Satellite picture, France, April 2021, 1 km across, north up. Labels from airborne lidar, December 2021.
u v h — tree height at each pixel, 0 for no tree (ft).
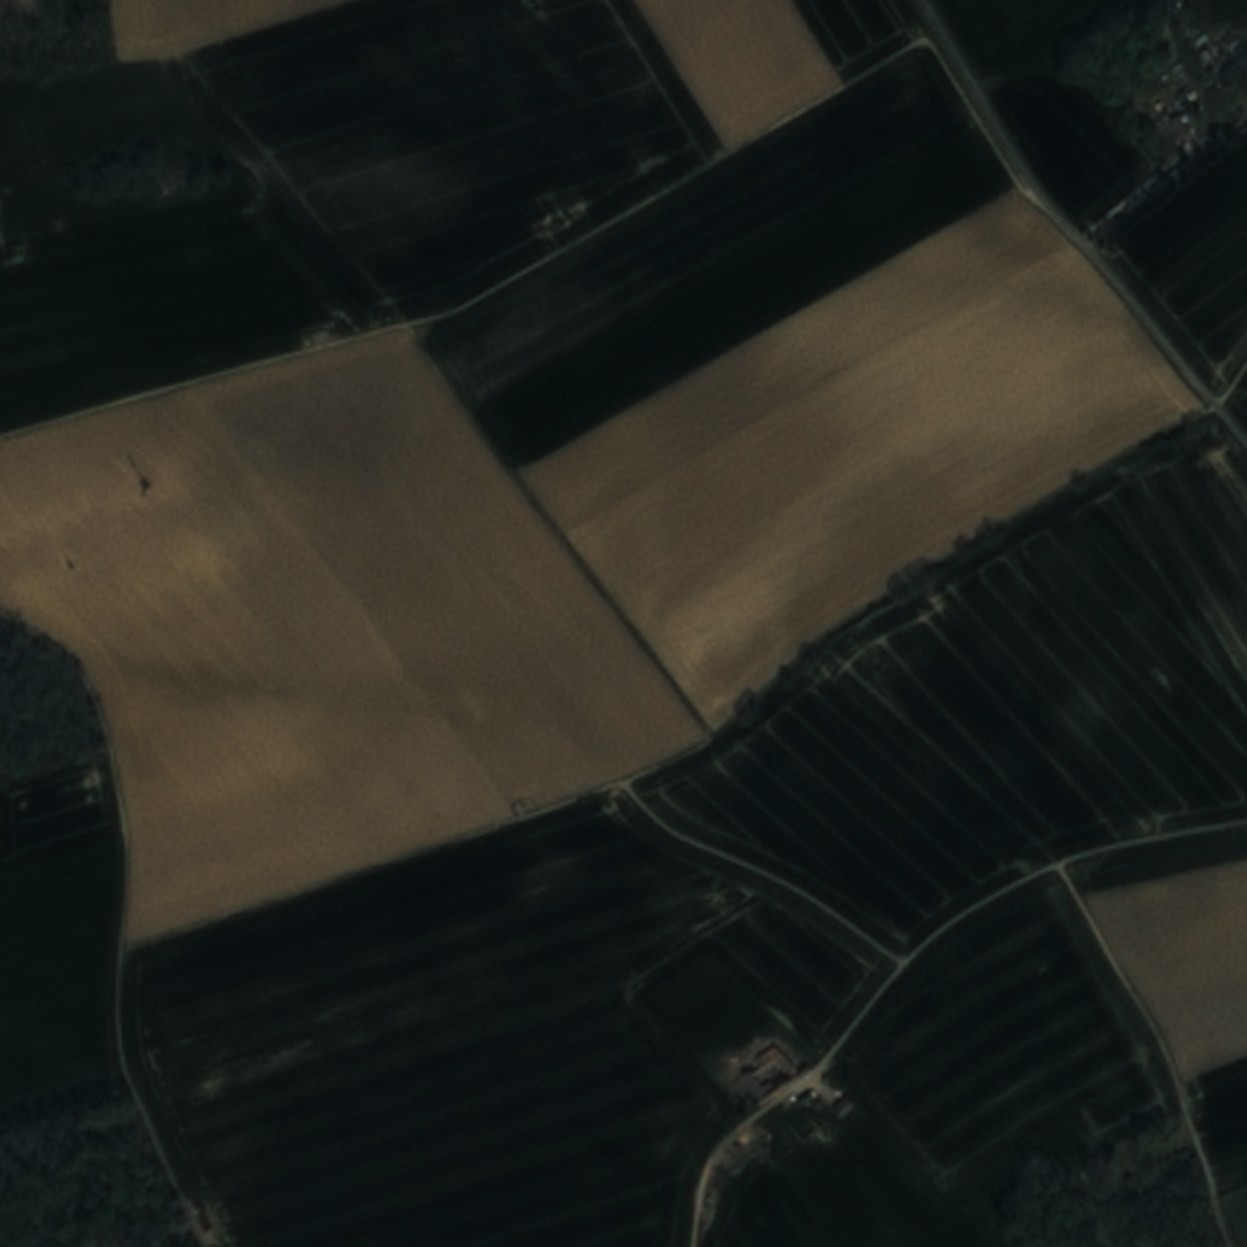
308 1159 0
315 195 0
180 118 0
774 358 0
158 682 0
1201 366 0
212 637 0
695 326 0
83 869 0
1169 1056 0
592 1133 0
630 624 0
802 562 0
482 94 0
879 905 0
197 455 0
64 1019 0
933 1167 0
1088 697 0
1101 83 63
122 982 0
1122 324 0
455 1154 0
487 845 0
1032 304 0
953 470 0
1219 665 0
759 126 0
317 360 0
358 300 0
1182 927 0
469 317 0
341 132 0
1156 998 0
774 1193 0
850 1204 0
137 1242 90
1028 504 0
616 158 0
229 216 0
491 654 0
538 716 0
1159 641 0
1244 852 0
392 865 0
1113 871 0
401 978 0
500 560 0
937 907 0
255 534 0
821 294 0
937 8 0
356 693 0
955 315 0
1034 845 0
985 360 0
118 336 0
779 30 0
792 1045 0
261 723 0
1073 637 0
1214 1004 0
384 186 0
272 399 0
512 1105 0
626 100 0
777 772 0
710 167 0
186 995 0
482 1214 0
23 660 46
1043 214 0
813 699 0
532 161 0
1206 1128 0
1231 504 0
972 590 0
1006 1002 0
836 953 0
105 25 33
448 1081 0
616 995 0
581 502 0
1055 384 0
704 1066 0
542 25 0
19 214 0
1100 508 0
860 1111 0
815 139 0
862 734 0
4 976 0
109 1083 0
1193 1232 104
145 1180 82
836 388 0
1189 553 0
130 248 0
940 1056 0
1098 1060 0
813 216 0
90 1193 61
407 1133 0
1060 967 0
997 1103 0
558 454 0
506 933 0
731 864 0
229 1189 0
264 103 0
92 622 0
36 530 0
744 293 0
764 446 0
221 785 0
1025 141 0
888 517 0
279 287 0
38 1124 83
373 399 0
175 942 0
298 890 0
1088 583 0
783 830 0
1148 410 0
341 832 0
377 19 0
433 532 0
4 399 0
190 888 0
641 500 0
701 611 0
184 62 0
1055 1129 0
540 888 0
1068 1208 81
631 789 0
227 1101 0
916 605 0
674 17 0
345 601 0
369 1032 0
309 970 0
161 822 0
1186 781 0
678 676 0
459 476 0
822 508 0
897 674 0
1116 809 0
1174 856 0
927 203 0
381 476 0
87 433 0
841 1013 0
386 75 0
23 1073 0
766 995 0
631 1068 0
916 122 0
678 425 0
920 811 0
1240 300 0
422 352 0
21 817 0
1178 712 0
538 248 0
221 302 0
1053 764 0
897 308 0
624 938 0
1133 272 0
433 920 0
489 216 0
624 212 0
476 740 0
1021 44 0
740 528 0
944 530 0
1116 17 81
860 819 0
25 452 0
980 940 0
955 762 0
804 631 0
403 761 0
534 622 0
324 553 0
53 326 0
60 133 0
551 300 0
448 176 0
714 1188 0
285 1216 0
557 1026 0
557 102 0
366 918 0
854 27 0
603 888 0
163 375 0
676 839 0
